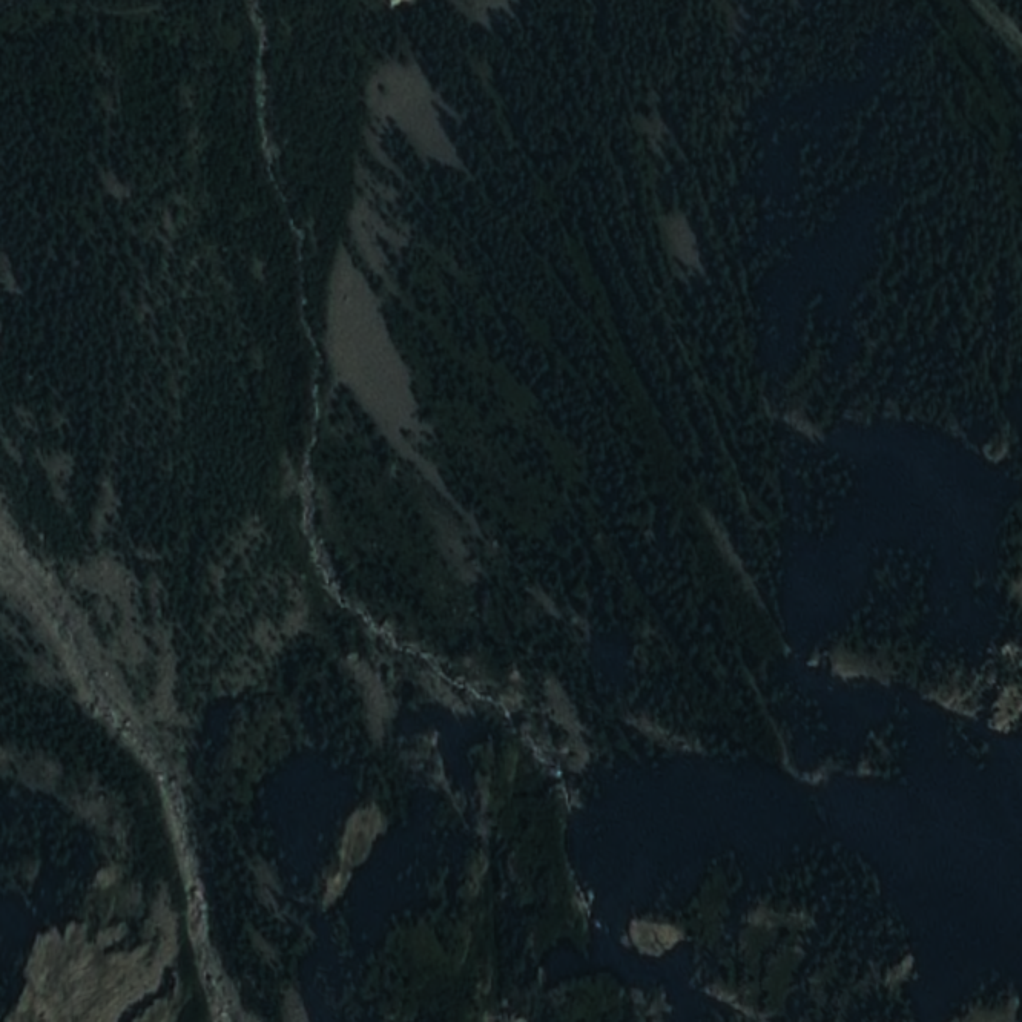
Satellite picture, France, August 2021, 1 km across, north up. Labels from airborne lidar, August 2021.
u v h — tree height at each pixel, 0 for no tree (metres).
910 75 17
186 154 7
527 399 0
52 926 7
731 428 15
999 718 0
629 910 8
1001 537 10
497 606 7
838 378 8
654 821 14
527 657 12
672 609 25
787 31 16
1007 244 28
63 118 19
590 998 0
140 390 18
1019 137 13
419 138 0
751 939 0
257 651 9
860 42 17
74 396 11
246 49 10
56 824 12
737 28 0
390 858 10
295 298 7
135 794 5
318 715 13
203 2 16
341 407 12
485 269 21
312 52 15
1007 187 25
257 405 13
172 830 0
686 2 32
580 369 24
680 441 23
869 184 15
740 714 12
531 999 0
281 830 11
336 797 31
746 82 22
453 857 7
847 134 20
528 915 8
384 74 0
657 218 10
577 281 23
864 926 10
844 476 25
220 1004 0
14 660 7
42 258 12
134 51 6
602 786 9
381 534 8
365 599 7
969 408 8
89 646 0
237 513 10
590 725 8
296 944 11
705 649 27
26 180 9
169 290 16
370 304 0
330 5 6
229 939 10
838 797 0
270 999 8
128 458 7
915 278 8
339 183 11
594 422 24
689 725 13
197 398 10
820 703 15
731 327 22
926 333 15
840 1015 6
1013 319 31
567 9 30
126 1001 0
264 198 7
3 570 0
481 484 9
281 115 7
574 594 9
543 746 0
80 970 0
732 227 26
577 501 8
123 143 8
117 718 0
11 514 5
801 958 0
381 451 13
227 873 15
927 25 19
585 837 12
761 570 21
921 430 15
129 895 0
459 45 24
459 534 0
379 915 11
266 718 7
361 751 14
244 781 17
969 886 9
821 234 22
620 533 15
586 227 11
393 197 0
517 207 26
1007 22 0
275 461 6
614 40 31
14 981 11
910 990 0
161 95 8
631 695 9
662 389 25
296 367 12
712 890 18
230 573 11
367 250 0
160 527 16
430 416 8
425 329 12
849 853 8
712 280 10
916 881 9
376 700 0
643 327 24
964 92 30
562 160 20
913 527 9
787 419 0
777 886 11
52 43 23
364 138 8
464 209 21
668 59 35
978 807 9
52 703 9
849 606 13
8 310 13
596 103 29
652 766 21
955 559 8
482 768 8
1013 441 14
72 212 8
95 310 17
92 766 9
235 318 6
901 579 11
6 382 10
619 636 25
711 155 8
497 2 0
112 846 6
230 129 9
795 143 14
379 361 0
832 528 22
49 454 7
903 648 9
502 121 8
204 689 8
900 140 17
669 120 18
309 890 8
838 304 15
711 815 8
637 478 21
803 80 22
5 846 7
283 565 7
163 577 7
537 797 8
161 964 0
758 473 11
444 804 11
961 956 9
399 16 27
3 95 10
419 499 0
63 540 7
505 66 29
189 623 7
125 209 7
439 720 6
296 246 9
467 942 6
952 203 28
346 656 7
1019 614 13
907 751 10
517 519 0
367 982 11
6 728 10
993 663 7
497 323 6
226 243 8
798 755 0
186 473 13
